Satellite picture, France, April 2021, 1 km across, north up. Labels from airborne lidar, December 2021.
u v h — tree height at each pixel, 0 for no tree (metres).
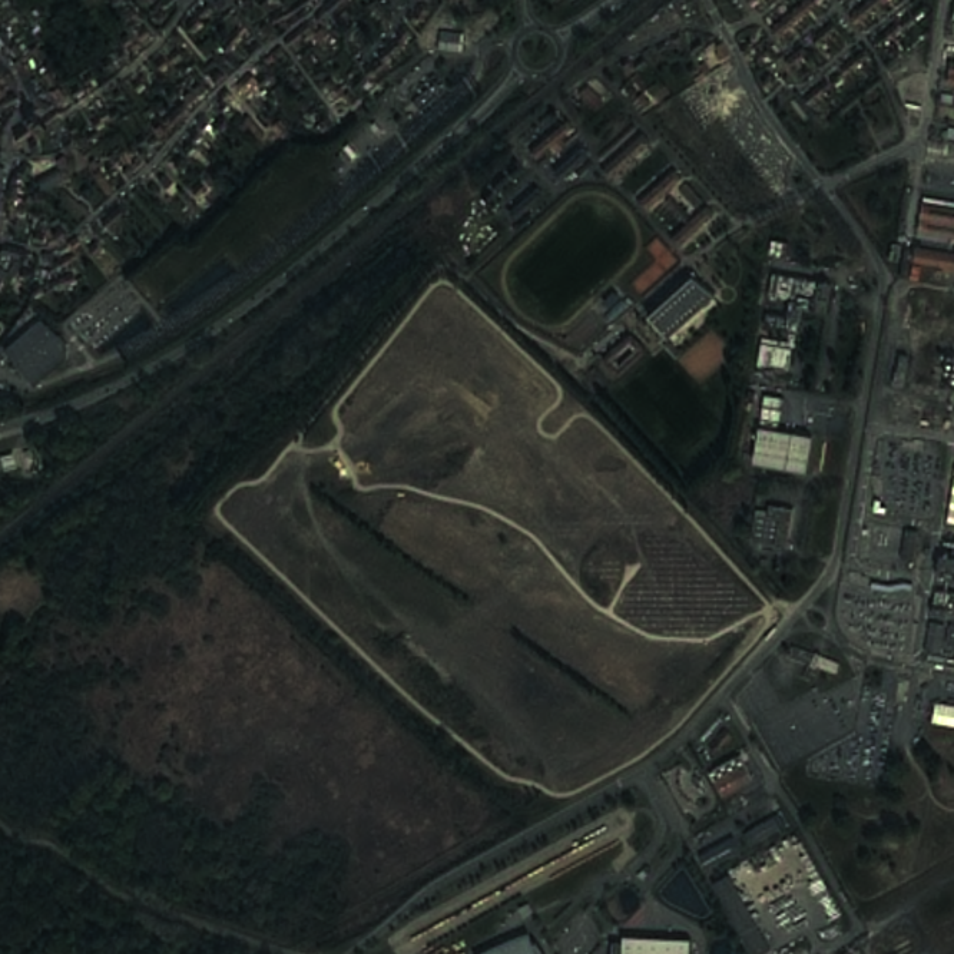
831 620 0
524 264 0
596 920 0
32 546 15
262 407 9
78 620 16
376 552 0
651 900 0
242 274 0
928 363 0
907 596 0
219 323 0
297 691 0
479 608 0
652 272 0
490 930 0
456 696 0
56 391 0
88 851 22
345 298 22
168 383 22
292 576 0
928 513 0
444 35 0
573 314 0
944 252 0
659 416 0
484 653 0
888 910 0
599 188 9
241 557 12
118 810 8
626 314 0
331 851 6
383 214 5
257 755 0
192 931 14
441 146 0
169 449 9
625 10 8
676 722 0
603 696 7
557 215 0
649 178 0
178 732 12
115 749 14
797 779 0
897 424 0
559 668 7
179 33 8
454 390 0
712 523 0
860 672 0
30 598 0
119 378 0
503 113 8
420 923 0
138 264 13
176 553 8
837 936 0
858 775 0
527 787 0
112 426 6
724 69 0
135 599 6
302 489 0
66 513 24
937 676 0
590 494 0
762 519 0
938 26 0
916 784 0
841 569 0
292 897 7
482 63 0
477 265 14
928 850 0
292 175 0
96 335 0
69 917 22
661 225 0
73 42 13
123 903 8
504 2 0
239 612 0
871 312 0
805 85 0
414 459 0
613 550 0
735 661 0
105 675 7
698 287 0
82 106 0
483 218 0
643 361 0
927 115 0
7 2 0
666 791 0
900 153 0
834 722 0
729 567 0
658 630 0
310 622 11
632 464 0
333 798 0
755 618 0
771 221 18
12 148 0
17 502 15
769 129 0
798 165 0
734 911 0
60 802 25
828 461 0
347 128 10
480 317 0
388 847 0
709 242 6
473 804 0
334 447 0
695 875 7
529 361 0
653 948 0
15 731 6
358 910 0
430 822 0
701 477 16
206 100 0
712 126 0
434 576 6
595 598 0
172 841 22
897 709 0
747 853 0
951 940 0
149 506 22
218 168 9
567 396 0
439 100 0
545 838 8
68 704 18
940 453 0
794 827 0
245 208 0
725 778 0
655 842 0
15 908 11
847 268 0
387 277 22
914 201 0
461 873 0
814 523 12
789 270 0
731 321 0
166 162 0
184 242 14
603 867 0
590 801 0
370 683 10
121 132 12
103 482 9
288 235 0
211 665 0
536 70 0
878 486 0
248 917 21
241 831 7
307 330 20
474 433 0
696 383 0
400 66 0
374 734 0
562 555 0
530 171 0
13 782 23
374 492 0
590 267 0
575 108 13
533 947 0
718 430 0
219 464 7
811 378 7
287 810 0
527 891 0
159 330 0
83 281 0
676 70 7
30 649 17
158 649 0
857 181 0
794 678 0
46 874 21
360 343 15
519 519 0
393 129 0
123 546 21
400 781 0
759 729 0
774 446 0
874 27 0
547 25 0
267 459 0
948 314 0
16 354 0
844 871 0
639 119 0
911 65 0
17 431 0
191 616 0
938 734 0
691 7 0
